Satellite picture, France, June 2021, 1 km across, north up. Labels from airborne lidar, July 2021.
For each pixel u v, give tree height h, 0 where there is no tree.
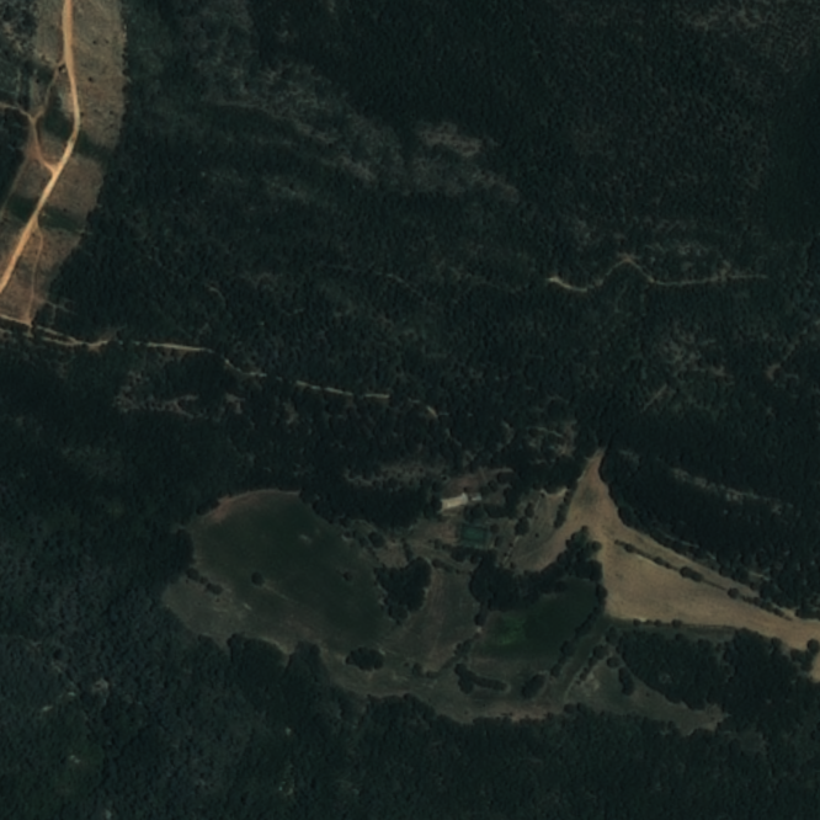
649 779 11
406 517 14
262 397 10
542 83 8
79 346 9
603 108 9
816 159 13
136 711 15
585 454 9
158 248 10
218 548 0
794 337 8
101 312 8
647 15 8
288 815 13
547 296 6
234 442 9
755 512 9
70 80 0
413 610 9
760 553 8
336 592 0
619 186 9
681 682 7
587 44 10
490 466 8
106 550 12
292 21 6
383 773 6
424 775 8
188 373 10
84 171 0
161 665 11
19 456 11
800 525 10
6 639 12
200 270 7
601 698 0
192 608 0
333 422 12
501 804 13
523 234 9
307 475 13
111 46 0
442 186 7
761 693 13
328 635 0
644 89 7
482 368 7
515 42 12
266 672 11
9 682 14
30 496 7
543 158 13
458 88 8
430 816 11
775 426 10
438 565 11
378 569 7
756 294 7
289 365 12
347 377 6
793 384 12
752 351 9
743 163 10
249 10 7
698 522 13
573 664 0
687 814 15
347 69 7
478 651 0
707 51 9
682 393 9
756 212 10
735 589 8
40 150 0
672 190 7
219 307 6
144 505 11
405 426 9
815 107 11
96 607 16
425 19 10
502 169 6
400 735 11
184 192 12
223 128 7
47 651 11
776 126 10
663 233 7
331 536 0
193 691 10
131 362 6
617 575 0
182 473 11
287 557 0
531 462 10
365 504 14
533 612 0
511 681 0
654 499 14
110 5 0
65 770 16
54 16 0
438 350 6
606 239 9
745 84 9
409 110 7
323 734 11
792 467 12
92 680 10
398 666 0
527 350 11
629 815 11
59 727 14
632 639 11
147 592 10
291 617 0
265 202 7
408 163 7
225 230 8
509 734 11
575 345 8
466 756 8
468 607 0
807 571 12
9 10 10
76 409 10
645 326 10
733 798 13
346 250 6
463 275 8
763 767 10
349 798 13
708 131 11
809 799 13
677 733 10
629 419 10
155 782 8
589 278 8
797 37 5
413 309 9
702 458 10
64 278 6
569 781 9
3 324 6
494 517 10
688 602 0
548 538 0
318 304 11
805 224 11
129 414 10
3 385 12
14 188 0
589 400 12
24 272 0
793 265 8
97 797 11
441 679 0
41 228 0
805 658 12
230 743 6
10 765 10
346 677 0
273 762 10
